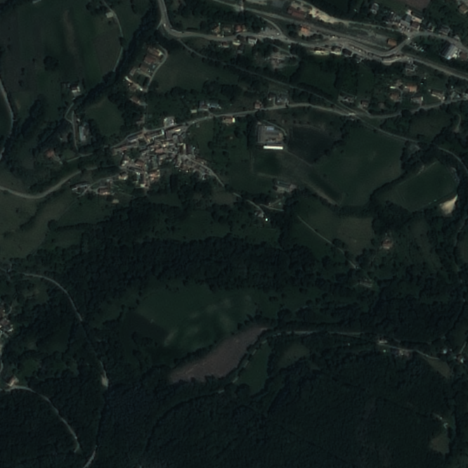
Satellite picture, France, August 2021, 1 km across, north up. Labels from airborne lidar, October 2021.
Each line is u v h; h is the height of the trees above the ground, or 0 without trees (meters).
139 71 0
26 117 0
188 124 11
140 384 21
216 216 18
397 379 9
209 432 24
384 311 30
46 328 21
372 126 0
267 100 6
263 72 12
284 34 0
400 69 12
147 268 14
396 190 0
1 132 0
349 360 18
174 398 27
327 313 12
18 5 16
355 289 7
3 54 11
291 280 12
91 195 13
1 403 20
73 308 6
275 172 0
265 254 24
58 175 8
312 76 0
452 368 7
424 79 9
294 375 21
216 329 0
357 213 8
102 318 0
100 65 0
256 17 12
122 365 19
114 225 17
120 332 7
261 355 0
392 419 18
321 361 7
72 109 0
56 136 12
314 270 8
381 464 11
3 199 0
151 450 13
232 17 15
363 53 0
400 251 0
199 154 6
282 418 21
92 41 0
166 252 29
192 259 33
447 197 0
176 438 19
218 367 0
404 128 8
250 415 22
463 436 22
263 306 0
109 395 20
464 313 23
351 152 0
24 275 10
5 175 0
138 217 22
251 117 16
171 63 0
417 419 25
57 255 7
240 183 0
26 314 19
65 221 0
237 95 8
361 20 15
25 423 24
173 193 9
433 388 29
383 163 0
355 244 0
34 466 22
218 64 14
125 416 28
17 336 12
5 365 10
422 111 14
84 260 14
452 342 20
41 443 28
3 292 0
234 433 20
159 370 22
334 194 0
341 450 13
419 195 0
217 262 6
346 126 14
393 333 23
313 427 16
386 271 0
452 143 21
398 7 0
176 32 0
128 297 0
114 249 22
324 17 0
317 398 24
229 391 22
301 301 0
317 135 0
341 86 13
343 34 0
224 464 15
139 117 12
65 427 23
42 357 12
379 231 7
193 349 0
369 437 11
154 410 23
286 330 8
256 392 0
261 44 10
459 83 15
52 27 0
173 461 14
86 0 0
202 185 12
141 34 12
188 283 14
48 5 0
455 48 0
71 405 31
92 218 0
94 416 25
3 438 34
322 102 9
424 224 0
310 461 15
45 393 24
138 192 8
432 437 22
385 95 6
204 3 8
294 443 19
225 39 0
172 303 0
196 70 0
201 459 19
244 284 10
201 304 0
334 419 16
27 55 0
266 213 8
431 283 15
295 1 0
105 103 0
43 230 0
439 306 10
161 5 0
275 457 19
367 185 0
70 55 0
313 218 0
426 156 19
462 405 25
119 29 0
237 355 0
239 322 0
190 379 0
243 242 15
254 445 19
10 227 0
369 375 11
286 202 8
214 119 7
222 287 12
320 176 0
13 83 0
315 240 0
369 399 6
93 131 19
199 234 0
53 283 7
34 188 17
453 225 18
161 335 0
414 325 33
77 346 19
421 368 27
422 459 17
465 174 21
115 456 13
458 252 13
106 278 23
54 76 0
